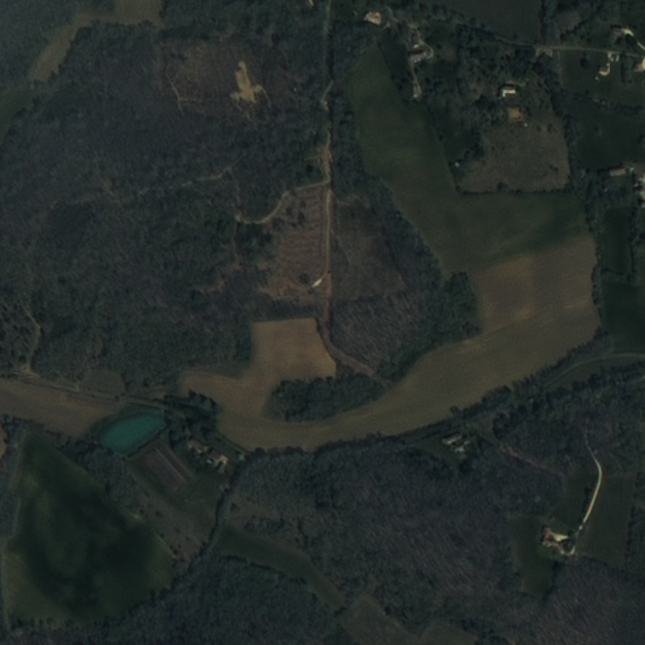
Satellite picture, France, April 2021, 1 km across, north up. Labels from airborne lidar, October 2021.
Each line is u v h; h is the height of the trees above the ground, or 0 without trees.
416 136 0
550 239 0
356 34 16
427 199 0
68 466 0
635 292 0
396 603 18
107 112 12
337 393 23
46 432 9
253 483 21
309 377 0
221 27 24
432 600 18
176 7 20
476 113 11
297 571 0
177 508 0
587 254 0
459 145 0
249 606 22
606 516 0
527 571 0
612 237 0
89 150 15
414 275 20
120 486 24
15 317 8
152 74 15
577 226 0
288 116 12
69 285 20
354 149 7
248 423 0
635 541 11
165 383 18
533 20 0
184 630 15
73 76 15
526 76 11
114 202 20
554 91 13
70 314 19
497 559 17
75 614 0
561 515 0
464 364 0
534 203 0
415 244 21
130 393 16
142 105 14
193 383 0
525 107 7
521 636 22
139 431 0
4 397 0
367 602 0
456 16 13
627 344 0
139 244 21
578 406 19
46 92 12
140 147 16
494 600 18
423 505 18
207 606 19
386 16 17
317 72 22
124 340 17
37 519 0
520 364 0
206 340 23
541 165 0
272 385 0
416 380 0
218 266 11
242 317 25
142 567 0
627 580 9
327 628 22
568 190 6
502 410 19
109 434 0
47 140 14
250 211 12
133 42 18
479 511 20
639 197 0
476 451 18
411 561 21
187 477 0
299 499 14
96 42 21
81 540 0
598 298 11
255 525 6
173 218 15
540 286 0
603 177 10
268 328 0
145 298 19
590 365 0
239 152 16
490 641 18
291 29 23
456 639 0
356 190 18
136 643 14
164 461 0
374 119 0
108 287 22
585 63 12
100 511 0
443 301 23
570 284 0
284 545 0
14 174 17
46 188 15
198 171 15
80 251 18
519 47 6
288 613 25
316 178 16
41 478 0
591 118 0
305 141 20
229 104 8
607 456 19
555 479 20
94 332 15
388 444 18
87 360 9
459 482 17
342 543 20
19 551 0
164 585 0
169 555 0
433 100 12
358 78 0
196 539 0
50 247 18
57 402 0
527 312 0
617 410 19
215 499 0
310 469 16
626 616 20
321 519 13
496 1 0
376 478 18
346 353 21
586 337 0
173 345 16
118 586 0
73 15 20
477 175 0
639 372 19
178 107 14
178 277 18
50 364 21
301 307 18
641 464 21
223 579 18
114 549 0
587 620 16
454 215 0
